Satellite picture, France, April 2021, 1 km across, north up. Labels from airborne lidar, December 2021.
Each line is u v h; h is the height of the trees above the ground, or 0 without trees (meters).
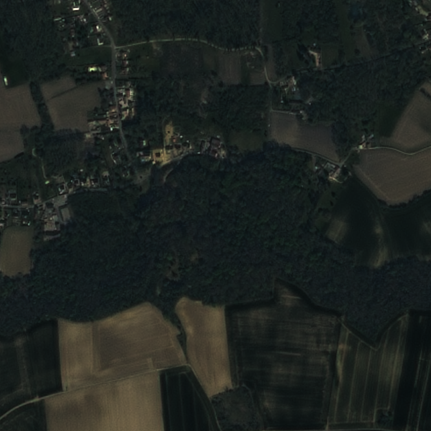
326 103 8
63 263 22
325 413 0
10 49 37
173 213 25
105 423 0
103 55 0
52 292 17
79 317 21
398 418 0
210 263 26
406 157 0
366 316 25
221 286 18
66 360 0
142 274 22
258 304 0
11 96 0
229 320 0
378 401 0
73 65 0
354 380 0
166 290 17
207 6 38
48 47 15
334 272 28
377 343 0
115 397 0
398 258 0
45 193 0
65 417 0
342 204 0
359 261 0
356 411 0
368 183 0
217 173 10
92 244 23
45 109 11
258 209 23
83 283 27
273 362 0
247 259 19
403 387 0
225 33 41
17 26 41
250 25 26
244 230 25
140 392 0
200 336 0
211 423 0
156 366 0
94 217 7
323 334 0
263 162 23
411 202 7
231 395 8
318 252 22
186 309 0
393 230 0
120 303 16
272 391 0
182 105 8
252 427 11
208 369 0
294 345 0
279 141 0
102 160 7
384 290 29
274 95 18
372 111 19
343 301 24
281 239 23
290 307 0
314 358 0
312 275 22
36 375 0
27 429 0
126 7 19
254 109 8
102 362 0
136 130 19
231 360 0
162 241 21
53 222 0
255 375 0
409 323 0
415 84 22
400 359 0
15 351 0
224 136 0
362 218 0
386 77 26
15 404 0
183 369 0
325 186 9
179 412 0
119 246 27
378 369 0
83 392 0
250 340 0
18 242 0
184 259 16
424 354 0
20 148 0
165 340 0
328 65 0
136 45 0
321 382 0
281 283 0
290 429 0
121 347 0
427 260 0
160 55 0
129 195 14
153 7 43
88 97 0
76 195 8
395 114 0
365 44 0
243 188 28
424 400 0
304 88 22
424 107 0
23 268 0
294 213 27
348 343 0
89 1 0
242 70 0
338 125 23
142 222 22
